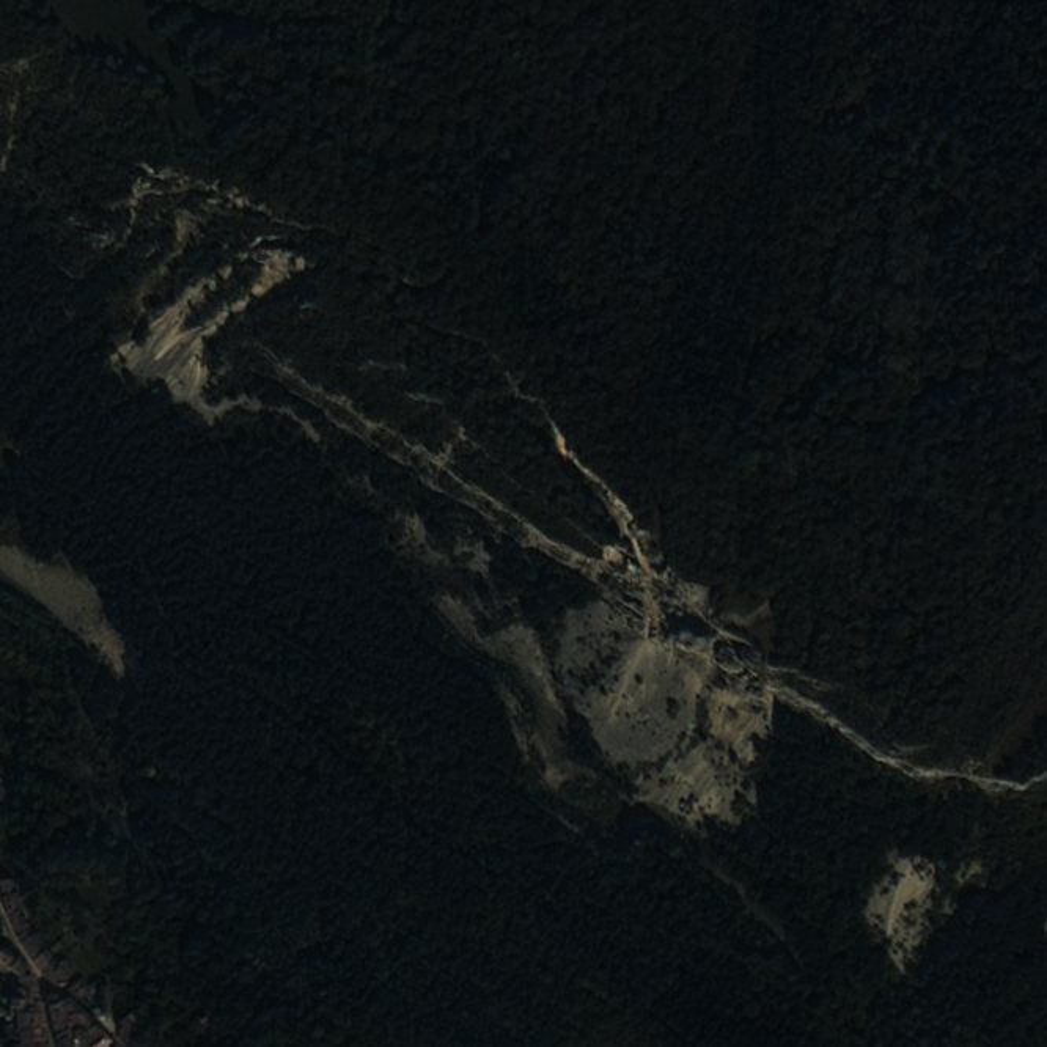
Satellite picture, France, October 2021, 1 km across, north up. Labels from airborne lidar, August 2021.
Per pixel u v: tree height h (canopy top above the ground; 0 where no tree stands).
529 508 10
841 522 18
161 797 23
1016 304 16
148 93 15
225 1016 21
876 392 17
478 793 24
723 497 16
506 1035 21
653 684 0
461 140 21
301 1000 18
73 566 26
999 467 18
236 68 10
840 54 15
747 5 23
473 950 19
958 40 19
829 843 22
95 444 24
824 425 12
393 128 21
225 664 13
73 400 21
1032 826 15
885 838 25
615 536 15
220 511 21
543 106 23
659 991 21
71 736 7
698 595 0
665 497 11
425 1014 25
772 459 20
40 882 21
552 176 19
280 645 14
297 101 20
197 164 6
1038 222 23
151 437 20
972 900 20
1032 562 10
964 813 13
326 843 24
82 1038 0
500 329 15
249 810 24
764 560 14
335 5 16
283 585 25
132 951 23
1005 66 17
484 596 20
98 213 9
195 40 14
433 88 18
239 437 7
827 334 16
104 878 21
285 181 13
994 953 26
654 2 20
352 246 8
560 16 24
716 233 17
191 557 21
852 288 16
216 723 24
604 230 14
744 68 19
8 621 12
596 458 14
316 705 15
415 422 12
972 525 14
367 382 7
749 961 21
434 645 7
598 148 20
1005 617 8
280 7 10
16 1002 0
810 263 13
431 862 24
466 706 24
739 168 16
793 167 17
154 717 24
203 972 25
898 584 13
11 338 18
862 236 14
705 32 22
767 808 26
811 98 17
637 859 24
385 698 23
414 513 7
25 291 22
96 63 8
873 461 13
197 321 6
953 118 14
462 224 25
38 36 7
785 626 10
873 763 15
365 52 19
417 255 12
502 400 19
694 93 16
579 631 0
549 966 15
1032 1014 28
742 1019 18
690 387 21
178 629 21
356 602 18
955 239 18
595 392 20
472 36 15
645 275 24
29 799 20
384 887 23
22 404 22
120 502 23
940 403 15
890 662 8
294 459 19
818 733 9
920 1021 20
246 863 23
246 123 17
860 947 21
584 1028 20
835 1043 18
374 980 22
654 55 17
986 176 19
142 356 0
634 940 21
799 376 18
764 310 20
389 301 15
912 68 13
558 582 23
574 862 24
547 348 19
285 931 24
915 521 23
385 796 22
